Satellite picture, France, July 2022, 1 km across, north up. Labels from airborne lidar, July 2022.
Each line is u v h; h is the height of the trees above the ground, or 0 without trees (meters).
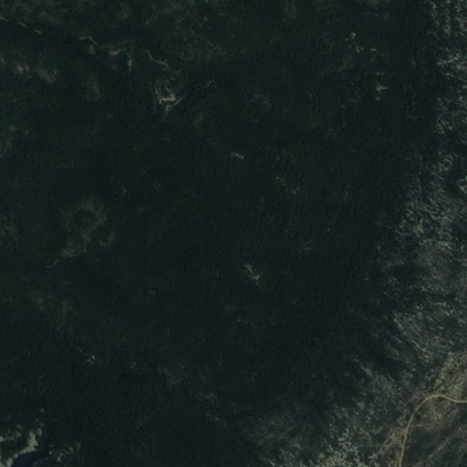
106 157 9
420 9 6
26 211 6
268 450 0
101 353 8
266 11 9
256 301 10
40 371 9
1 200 8
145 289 7
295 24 7
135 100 10
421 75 5
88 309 6
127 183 9
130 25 10
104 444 9
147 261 9
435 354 0
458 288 0
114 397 7
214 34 6
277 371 8
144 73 8
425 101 7
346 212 7
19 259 7
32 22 7
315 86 7
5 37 8
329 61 6
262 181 8
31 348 12
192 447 8
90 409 9
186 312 8
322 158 6
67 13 7
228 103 8
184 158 9
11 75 8
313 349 7
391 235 6
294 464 0
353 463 0
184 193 9
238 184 9
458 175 6
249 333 6
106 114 7
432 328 0
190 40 7
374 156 6
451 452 0
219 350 7
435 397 0
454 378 0
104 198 8
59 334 13
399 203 6
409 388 0
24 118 8
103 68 8
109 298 8
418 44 7
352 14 7
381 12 7
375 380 0
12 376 8
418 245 7
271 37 8
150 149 7
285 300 7
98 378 10
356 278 7
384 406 0
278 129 6
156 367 7
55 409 5
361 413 0
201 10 7
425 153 7
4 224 7
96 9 6
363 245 6
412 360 0
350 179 6
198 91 8
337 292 7
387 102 8
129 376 9
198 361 6
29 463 6
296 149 8
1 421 10
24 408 8
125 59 6
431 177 7
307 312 8
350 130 7
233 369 6
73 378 13
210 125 7
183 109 9
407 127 9
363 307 6
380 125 9
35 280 7
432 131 6
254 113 7
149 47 9
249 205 7
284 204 10
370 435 0
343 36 6
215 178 8
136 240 9
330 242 7
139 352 7
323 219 7
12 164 8
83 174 9
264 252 9
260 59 12
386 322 5
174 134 10
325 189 7
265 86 7
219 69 7
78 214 6
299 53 7
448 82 6
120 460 6
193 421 7
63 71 7
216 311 7
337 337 6
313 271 7
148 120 9
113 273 8
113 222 7
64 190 7
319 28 7
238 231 10
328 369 6
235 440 6
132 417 8
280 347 10
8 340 8
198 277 9
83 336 8
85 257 8
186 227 6
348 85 7
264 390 7
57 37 12
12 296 7
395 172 7
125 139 9
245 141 7
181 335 7
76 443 6
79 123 11
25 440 6
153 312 8
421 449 0
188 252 8
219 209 9
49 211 6
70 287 7
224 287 10
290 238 9
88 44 10
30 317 7
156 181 8
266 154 9
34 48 7
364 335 7
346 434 0
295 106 7
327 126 8
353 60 7
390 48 7
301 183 6
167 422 7
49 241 6
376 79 7
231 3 6
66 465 7
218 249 10
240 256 9
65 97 12
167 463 6
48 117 10
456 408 0
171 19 7
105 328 5
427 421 0
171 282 7
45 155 8
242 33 8
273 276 12
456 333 0
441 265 0
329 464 0
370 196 8
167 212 9
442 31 6
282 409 6
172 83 9
